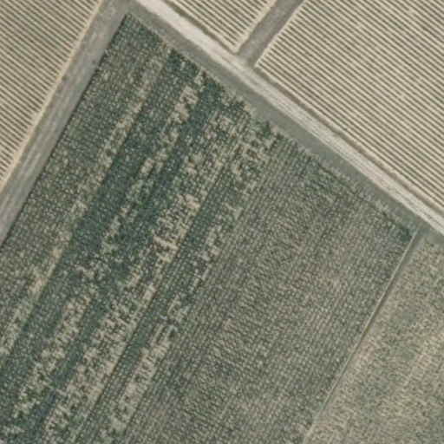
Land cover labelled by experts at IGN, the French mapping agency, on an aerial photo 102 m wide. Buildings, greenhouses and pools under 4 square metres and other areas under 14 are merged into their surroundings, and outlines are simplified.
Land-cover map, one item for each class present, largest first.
<instances>
[{"label":"vineyard","instance_id":"1","mask_svg":"<svg viewBox=\"0 0 444 444\"><path fill-rule=\"evenodd\" d=\"M104 0H0V193L21 160L29 139L35 134L36 125L49 108L55 90L61 85L62 76L66 75L71 66L73 57L80 49L83 38L87 35L88 28ZM173 12L184 17L187 23L193 24L194 28H198L203 35L222 47L227 54L236 55L239 47L246 42L251 31L264 19L276 0H161ZM250 71L260 76L267 85L288 97L297 108L312 116L319 125H323L335 137L342 139L347 146L361 154L364 160L375 165L380 172L394 180L395 184H399L404 191L413 194L418 201L444 219V0H302L288 17V21L283 24V28L277 31L265 47L255 64L248 66ZM0 444H444V236L376 186L366 175H362L356 166L350 165L349 161L343 158L342 154L335 153L331 147L316 139L307 128L298 125L297 121L279 111L276 106H272L265 97L246 87L238 76L232 75L229 69L213 61L210 55L205 54L191 40H187L180 31L137 2L132 9H128L118 28L109 38L99 61L95 62V69L92 75L88 76L75 108L71 109L68 120L62 125L49 156L43 160L42 168L33 180L23 205L19 206L16 217L10 222L9 229L0 243Z\"/></svg>","mask_w":444,"mask_h":444},{"label":"herbaceous vegetation","instance_id":"2","mask_svg":"<svg viewBox=\"0 0 444 444\"><path fill-rule=\"evenodd\" d=\"M137 2V0H104L88 28L87 35L83 38L80 49L73 57L71 66L66 75L62 76L61 85L55 90L49 108L36 125L35 134L29 139L21 160L0 193V243L9 229L10 222L16 217L19 206L23 205L33 180L42 168L43 160L49 156L62 125L68 120L71 109L75 108L88 76L92 75L95 69V62L99 61L109 38L118 28L128 9H132ZM302 0H276L264 19L251 31L246 42L239 47L236 55L248 66L255 64L265 47L277 31L283 28V24L288 21V17Z\"/></svg>","mask_w":444,"mask_h":444},{"label":"pervious surface","instance_id":"3","mask_svg":"<svg viewBox=\"0 0 444 444\"><path fill-rule=\"evenodd\" d=\"M137 2L180 31L187 40H191L205 54L210 55L213 61L229 69L232 75L238 76L246 87L265 97L272 106H276L279 111L297 121L298 125L307 128L316 139L331 147L335 153L342 154L343 158L349 161L350 165L356 166L362 175H366L376 186L444 236V219L418 201L413 194L404 191L399 184H395L394 180L380 172L375 165L364 160L361 154L347 146L342 139L335 137L323 125H319L312 116L297 108L288 97L267 85L260 76L250 71L248 66L236 55L227 54L222 47L203 35L198 28H194L193 24L187 23L184 17L173 12L161 0H137Z\"/></svg>","mask_w":444,"mask_h":444}]
</instances>
